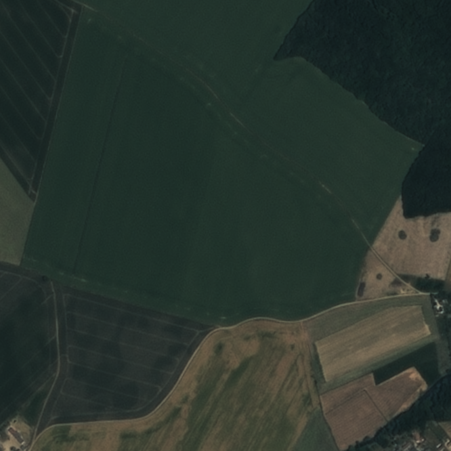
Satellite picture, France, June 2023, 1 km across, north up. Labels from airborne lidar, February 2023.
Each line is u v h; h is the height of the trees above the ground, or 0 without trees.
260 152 0
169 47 0
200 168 0
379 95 10
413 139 10
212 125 0
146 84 0
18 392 0
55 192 0
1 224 0
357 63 21
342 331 0
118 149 0
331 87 0
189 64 0
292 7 0
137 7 0
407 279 0
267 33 0
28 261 0
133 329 0
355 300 0
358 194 0
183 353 0
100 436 0
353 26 19
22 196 0
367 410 0
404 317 0
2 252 0
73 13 0
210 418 0
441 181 17
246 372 0
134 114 0
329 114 0
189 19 0
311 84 0
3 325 0
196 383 0
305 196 0
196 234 0
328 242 0
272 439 0
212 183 0
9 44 0
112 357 0
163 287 0
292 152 0
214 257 0
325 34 21
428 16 19
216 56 0
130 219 0
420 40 20
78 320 0
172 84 0
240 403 0
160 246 0
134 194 0
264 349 0
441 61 20
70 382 0
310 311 0
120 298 0
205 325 0
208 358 0
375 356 0
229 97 0
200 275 0
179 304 0
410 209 12
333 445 0
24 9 0
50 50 0
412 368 0
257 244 0
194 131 0
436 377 0
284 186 0
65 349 0
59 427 0
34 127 0
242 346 0
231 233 0
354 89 9
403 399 0
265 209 0
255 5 0
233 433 0
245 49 0
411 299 0
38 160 0
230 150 0
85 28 0
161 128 0
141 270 0
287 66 0
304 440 0
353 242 0
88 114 0
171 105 0
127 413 0
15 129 0
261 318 0
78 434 0
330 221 0
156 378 0
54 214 0
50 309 0
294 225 0
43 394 0
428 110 19
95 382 0
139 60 0
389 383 0
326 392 0
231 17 0
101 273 0
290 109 0
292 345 0
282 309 0
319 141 0
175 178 0
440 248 0
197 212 0
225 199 0
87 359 0
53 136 0
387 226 0
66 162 0
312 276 0
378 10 23
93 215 0
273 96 0
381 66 23
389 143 0
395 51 23
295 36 16
